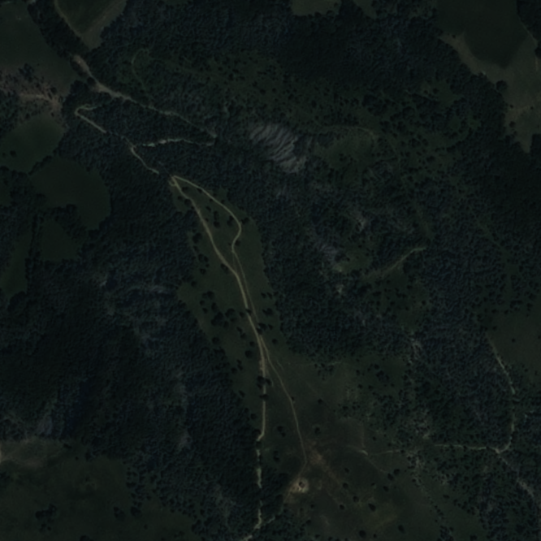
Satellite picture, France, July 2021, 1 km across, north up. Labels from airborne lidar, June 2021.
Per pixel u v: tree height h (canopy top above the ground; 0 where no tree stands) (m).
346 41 26
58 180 0
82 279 16
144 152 12
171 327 10
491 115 14
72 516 0
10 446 0
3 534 0
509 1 0
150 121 19
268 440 0
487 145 14
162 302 12
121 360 19
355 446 0
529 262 11
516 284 9
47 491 0
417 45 23
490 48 0
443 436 13
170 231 10
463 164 11
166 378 17
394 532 0
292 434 0
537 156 13
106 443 17
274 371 0
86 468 0
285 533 10
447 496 9
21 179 23
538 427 9
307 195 12
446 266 14
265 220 14
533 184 20
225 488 16
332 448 0
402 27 15
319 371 7
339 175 15
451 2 0
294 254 16
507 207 15
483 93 15
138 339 8
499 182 23
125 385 25
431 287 9
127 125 7
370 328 9
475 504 7
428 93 9
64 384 13
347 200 8
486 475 10
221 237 0
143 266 13
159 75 15
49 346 34
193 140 10
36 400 19
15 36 0
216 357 10
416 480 8
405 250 10
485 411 14
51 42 20
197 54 13
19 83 19
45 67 0
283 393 0
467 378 7
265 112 6
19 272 0
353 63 24
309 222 9
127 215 18
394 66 10
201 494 8
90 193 0
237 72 13
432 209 19
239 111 12
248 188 16
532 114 0
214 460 18
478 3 0
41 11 9
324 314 21
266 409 0
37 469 0
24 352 35
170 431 23
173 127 13
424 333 7
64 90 0
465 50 0
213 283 0
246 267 0
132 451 14
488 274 10
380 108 17
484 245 13
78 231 22
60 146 11
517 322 0
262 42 15
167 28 13
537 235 15
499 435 9
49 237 0
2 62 0
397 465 0
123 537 0
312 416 0
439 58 19
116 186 21
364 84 12
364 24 19
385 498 0
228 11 6
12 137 0
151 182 12
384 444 0
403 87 16
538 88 0
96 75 12
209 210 17
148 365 19
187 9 11
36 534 0
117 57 15
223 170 13
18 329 14
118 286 17
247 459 12
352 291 8
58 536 0
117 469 0
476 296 9
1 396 22
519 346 0
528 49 0
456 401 16
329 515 0
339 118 9
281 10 17
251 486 11
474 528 0
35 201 23
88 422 17
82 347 23
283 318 15
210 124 12
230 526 11
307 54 23
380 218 9
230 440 19
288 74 7
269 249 10
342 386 0
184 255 13
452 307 5
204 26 16
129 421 26
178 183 0
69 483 0
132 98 13
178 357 14
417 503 0
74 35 23
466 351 14
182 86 12
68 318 26
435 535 0
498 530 14
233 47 14
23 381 24
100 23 0
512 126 11
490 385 12
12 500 0
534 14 23
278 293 11
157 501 0
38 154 0
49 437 10
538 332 0
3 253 19
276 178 13
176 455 13
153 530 0
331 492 0
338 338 14
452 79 8
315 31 24
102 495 0
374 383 0
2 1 12
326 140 11
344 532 0
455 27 0
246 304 0
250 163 15
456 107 9
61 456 0
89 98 11
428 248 9
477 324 14
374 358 0
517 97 0
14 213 19
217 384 15
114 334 18
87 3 0
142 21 13
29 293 14
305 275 13
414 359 10
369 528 0
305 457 0
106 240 19
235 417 13
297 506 0
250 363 0
